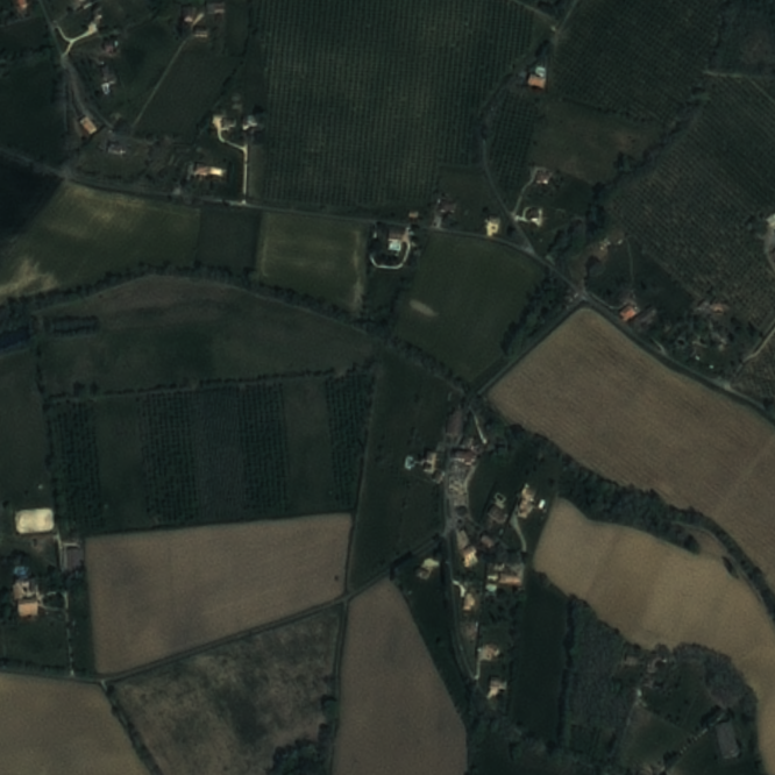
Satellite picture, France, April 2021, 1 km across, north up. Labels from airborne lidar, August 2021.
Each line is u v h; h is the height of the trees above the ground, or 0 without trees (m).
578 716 19
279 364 0
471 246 0
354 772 0
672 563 0
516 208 0
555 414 0
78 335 10
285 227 0
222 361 0
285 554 0
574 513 0
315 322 0
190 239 0
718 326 7
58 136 0
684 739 0
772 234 0
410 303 0
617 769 12
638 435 0
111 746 0
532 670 0
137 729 10
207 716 0
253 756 0
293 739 0
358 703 0
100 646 0
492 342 0
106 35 8
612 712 21
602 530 0
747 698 13
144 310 0
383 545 0
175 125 0
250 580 0
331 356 0
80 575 17
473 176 0
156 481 5
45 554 0
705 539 0
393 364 0
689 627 0
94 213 0
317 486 0
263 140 15
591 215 11
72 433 7
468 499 0
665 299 0
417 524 0
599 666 21
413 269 13
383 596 0
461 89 6
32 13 12
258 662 0
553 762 11
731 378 11
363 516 0
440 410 0
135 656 0
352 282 0
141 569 0
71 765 0
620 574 0
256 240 0
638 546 0
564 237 12
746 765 0
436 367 19
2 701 0
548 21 0
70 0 0
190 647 0
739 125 6
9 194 0
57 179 0
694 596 0
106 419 0
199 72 0
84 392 19
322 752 14
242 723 0
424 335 0
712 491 0
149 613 0
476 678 0
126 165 0
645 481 0
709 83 13
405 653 0
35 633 0
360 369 10
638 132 0
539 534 0
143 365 0
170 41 0
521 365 0
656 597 0
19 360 0
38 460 0
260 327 0
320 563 0
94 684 0
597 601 0
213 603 0
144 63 0
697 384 0
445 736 0
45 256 0
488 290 0
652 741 0
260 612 0
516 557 14
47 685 0
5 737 0
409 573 0
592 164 0
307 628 0
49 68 0
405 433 0
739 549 11
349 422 6
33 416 0
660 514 17
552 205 0
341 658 0
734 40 8
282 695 0
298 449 0
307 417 0
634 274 0
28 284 0
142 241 0
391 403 0
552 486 10
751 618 0
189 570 0
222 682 0
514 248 0
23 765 0
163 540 0
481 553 7
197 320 0
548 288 16
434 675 0
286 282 0
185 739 0
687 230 5
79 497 7
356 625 0
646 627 0
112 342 0
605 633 20
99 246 0
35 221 0
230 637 0
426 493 0
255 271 8
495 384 0
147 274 12
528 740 13
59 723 0
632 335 0
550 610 0
